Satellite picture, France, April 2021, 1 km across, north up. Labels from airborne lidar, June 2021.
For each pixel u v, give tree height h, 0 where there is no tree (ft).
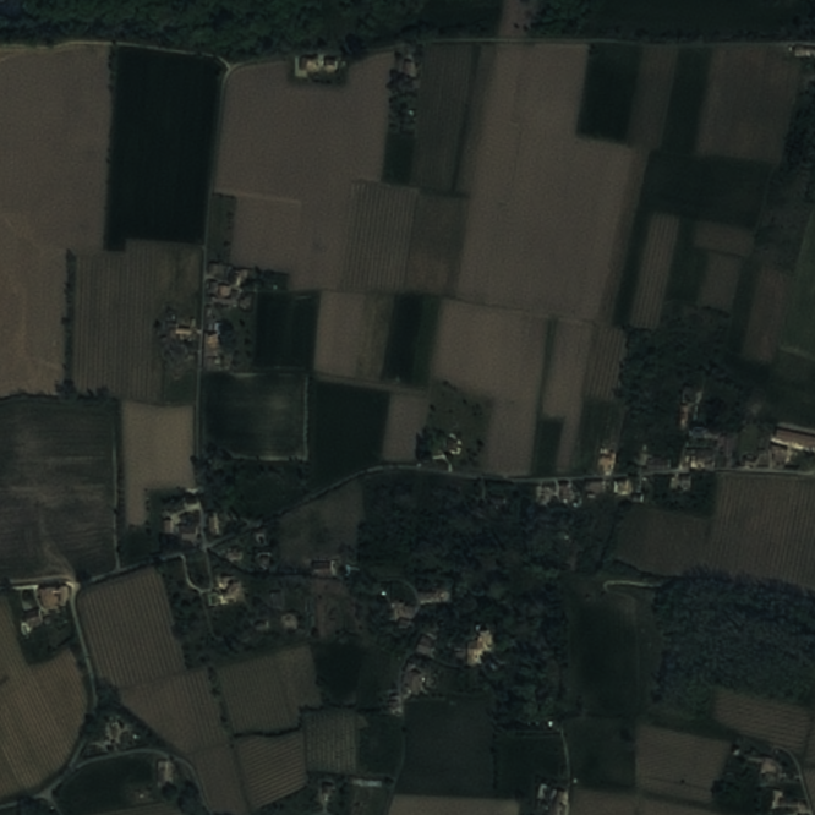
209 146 0
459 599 40
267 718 0
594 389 0
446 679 0
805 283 0
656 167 0
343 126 0
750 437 0
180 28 38
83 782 0
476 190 0
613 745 0
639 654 0
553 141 0
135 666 0
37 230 0
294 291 0
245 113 0
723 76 0
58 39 41
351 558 22
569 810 0
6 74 0
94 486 0
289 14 63
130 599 0
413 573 20
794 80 0
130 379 0
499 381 0
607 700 0
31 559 0
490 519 66
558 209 0
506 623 35
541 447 0
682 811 0
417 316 0
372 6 48
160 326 21
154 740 58
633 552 0
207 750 0
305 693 0
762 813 22
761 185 0
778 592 75
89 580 55
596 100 0
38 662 0
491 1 0
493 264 0
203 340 0
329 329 0
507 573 35
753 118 0
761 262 0
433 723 0
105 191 0
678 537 0
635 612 0
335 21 0
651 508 0
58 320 0
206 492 33
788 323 0
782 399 0
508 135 0
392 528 39
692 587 58
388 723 0
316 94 0
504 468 0
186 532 0
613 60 0
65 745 0
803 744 0
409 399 0
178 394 0
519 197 0
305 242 0
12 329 0
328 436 0
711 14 0
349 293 0
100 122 0
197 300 0
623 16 0
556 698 22
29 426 0
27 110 0
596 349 0
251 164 0
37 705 0
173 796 60
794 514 0
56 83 0
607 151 0
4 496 0
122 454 0
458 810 0
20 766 0
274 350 0
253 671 0
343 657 0
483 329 0
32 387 0
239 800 0
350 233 0
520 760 0
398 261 0
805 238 0
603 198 0
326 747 0
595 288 0
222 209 0
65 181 0
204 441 0
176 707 0
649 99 0
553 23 29
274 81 0
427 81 0
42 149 0
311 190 0
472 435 0
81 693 0
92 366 0
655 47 0
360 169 0
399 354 0
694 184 0
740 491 0
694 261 0
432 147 0
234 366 30
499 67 0
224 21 59
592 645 0
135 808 0
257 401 0
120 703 58
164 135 0
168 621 0
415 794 0
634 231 0
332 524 0
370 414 0
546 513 59
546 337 0
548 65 0
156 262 0
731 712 0
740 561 0
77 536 0
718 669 38
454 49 0
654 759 0
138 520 0
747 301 0
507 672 32
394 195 0
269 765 0
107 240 21
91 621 0
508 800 0
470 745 0
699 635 50
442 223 0
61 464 0
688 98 0
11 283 0
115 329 0
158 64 0
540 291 0
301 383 0
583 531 26
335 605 0
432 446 53
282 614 32
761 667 69
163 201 0
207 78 0
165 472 0
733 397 0
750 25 0
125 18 41
